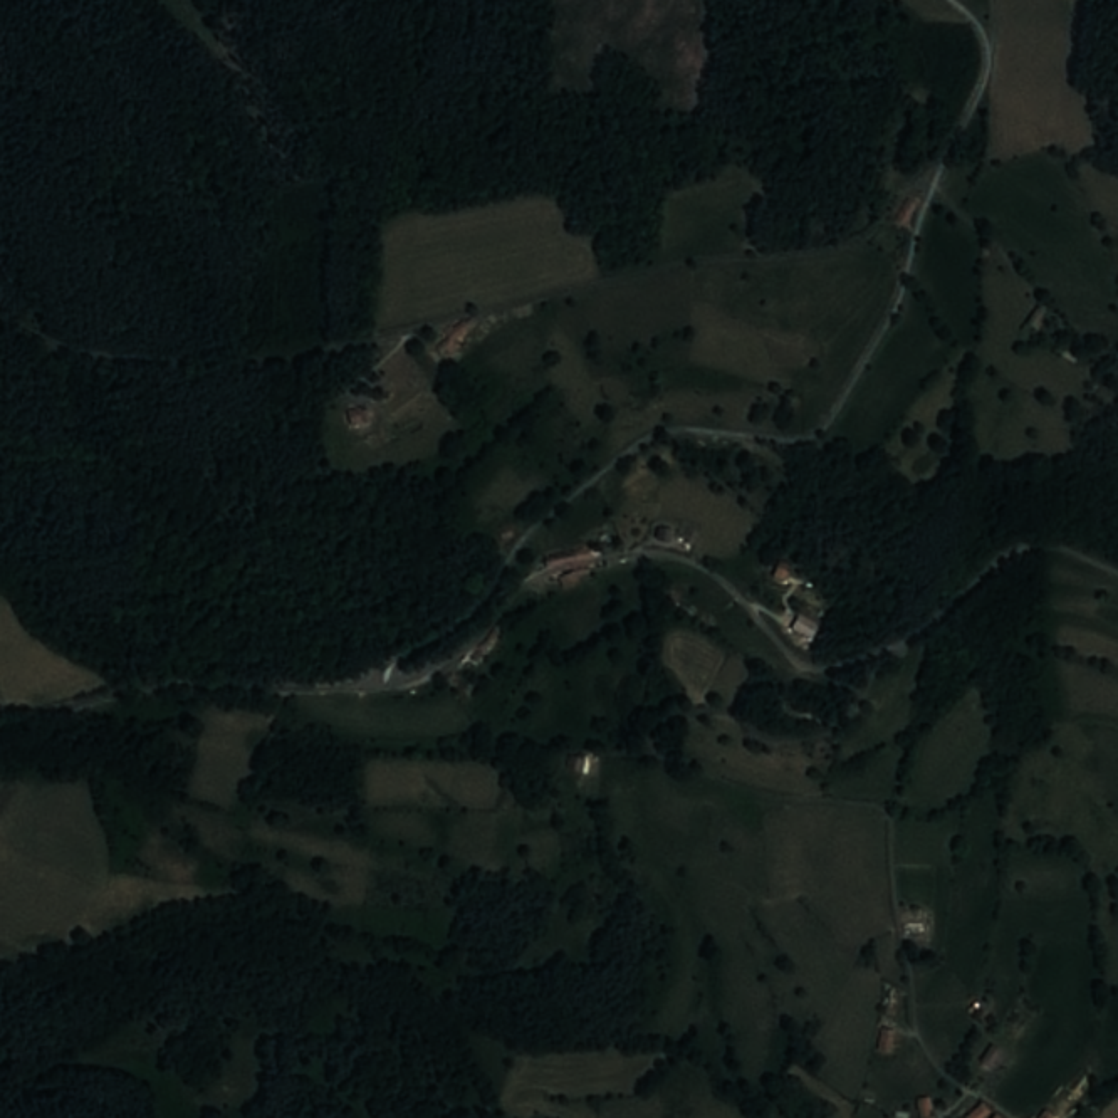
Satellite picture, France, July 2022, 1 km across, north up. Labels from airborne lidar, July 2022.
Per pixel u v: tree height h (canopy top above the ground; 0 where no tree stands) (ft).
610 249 53
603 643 58
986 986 22
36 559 96
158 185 73
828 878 0
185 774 32
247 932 56
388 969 58
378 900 0
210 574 59
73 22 85
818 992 0
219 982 42
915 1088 0
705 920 0
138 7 63
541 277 0
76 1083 72
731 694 0
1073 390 0
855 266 0
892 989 0
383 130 64
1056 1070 0
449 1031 58
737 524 0
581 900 40
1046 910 0
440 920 0
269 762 68
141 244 64
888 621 66
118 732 39
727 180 0
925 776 0
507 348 0
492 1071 0
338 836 44
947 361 21
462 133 56
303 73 52
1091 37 75
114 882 0
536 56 45
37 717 57
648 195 55
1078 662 28
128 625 43
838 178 54
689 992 0
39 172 68
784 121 66
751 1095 55
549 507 47
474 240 0
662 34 0
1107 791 0
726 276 0
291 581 70
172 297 76
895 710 0
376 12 60
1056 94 0
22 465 71
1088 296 0
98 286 72
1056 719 0
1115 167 51
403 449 0
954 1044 0
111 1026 50
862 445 0
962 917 0
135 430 59
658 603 75
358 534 37
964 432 71
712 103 69
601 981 67
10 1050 73
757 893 0
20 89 67
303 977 43
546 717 0
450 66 76
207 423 66
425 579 44
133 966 72
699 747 0
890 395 0
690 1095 0
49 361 59
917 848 0
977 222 32
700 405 0
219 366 61
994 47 0
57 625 61
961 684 45
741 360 0
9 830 0
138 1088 73
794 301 0
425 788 0
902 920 0
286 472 70
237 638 59
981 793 46
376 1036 56
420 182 57
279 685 61
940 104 52
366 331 38
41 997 46
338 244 67
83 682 0
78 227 64
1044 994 0
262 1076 38
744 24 66
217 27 69
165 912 41
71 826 0
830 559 36
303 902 48
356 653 69
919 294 44
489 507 0
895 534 44
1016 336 0
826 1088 0
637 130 53
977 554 50
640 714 52
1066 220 0
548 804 22
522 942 51
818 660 32
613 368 0
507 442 60
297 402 65
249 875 48
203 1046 67
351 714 0
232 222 73
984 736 0
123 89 64
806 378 0
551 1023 78
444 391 59
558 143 32
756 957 0
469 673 39
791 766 0
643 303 0
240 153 69
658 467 65
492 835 0
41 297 63
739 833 0
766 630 0
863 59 75
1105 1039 0
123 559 85
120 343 66
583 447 27
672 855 0
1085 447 27
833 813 0
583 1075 0
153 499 48
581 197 49
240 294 60
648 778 0
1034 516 70
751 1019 0
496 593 58
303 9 60
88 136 64
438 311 0
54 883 0
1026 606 61
